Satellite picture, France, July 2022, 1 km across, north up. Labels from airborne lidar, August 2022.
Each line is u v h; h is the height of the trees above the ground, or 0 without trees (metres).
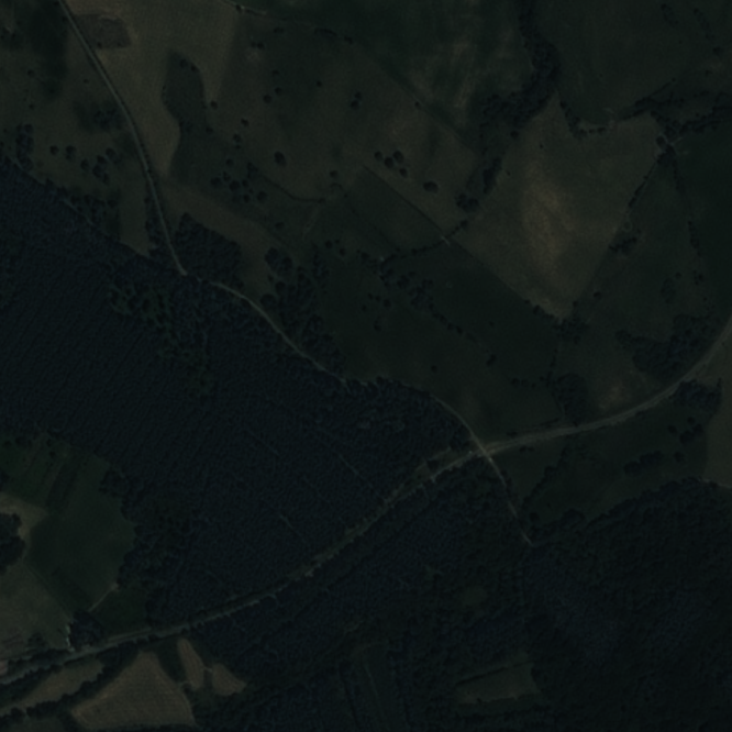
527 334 0
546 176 0
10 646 0
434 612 7
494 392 0
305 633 23
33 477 0
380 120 0
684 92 0
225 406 18
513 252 0
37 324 18
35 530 0
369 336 0
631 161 0
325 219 0
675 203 0
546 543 11
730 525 16
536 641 23
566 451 7
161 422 18
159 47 0
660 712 24
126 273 26
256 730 25
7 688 13
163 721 0
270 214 0
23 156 11
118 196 0
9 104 0
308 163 0
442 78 0
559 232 0
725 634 14
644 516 17
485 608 8
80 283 19
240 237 0
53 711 20
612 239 0
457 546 22
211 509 24
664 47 0
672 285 6
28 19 0
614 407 0
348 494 22
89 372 17
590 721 26
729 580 23
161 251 8
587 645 27
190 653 0
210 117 0
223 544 23
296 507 21
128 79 0
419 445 20
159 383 20
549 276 0
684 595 25
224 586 9
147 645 11
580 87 0
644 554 14
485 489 0
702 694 24
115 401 19
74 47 0
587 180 0
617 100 0
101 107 0
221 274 18
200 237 16
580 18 0
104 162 14
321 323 17
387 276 13
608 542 9
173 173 0
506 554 7
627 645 29
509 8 0
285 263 13
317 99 0
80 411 19
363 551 19
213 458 17
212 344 18
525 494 0
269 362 21
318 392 20
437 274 0
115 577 0
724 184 0
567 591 22
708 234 0
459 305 0
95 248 27
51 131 0
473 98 0
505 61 0
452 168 0
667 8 9
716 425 0
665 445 0
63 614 0
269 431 21
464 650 24
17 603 0
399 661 25
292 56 0
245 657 22
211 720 8
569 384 8
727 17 0
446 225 0
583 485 0
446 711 19
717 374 0
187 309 26
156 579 9
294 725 23
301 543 23
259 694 6
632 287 0
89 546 0
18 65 0
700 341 11
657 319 0
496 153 0
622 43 0
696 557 21
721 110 8
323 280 12
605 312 0
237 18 0
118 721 0
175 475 19
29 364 18
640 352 7
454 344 0
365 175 0
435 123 0
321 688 27
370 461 21
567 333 10
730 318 0
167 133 0
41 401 20
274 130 0
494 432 0
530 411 0
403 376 0
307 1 0
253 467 21
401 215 0
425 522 19
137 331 18
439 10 0
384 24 0
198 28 0
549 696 17
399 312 0
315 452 21
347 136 0
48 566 0
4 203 27
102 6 0
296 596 23
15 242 7
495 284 0
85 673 0
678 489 20
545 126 0
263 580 23
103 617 0
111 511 0
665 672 24
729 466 0
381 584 18
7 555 12
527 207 0
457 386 0
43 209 28
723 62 0
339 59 0
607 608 23
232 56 0
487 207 0
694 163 0
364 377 0
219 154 0
